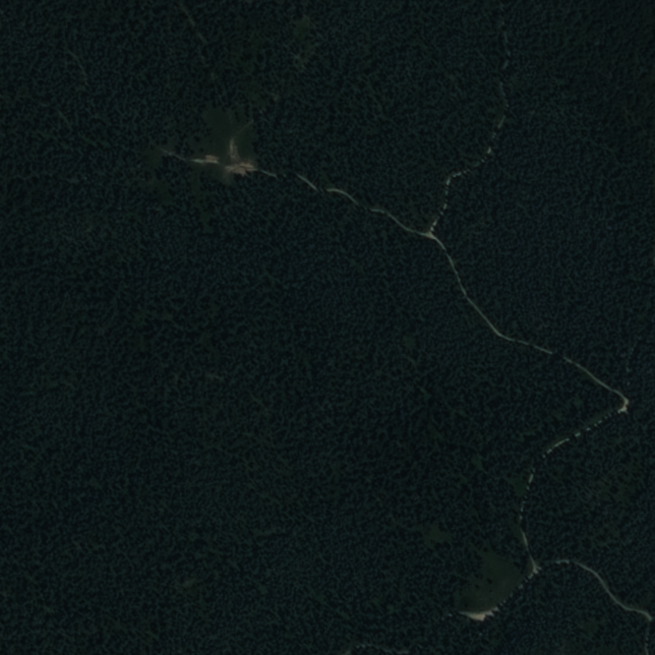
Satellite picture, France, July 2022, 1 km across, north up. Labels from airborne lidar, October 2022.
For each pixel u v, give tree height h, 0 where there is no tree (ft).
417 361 104
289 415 30
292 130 48
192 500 67
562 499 90
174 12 62
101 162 71
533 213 64
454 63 70
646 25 55
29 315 72
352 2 66
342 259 61
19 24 96
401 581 90
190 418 24
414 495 63
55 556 58
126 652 62
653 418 68
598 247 78
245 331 79
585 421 83
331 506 86
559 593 81
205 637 78
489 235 49
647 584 24
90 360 56
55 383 23
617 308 51
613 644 53
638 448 71
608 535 44
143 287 66
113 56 48
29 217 26
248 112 61
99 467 50
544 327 22
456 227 75
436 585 81
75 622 73
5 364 71
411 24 74
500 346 42
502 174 63
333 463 91
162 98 35
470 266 35
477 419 58
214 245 85
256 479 71
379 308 66
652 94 26
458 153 79
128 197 25
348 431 79
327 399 34
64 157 77
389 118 36
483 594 0
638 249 77
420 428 22
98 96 30
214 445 41
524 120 71
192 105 28
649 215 39
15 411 48
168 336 59
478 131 21
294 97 37
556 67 27
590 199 77
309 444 61
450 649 80
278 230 85
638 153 48
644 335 44
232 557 71
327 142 62
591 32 60
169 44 48
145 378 73
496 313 50
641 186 40
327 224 83
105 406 68
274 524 49
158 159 0
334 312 47
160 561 77
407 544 80
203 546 78
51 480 46
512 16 66
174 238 78
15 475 46
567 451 80
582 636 88
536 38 60
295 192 25
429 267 64
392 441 62
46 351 56
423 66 47
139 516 82
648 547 59
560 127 64
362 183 72
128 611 85
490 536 56
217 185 35
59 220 37
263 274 81
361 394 57
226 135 0
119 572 79
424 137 88
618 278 81
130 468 63
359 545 92
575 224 70
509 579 0
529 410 103
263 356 93
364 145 41
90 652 39
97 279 44
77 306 75
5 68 74
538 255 86
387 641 35
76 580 54
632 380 80
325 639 37
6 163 47
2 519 58
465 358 68
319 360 42
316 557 70
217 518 63
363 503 87
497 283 46
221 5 39
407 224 23
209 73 55
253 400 37
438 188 35
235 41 71
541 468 79
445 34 29
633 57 76
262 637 86
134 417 74
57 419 77
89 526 58
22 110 91
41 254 46
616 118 21
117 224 45
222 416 65
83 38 75
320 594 92
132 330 80
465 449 61
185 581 64
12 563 41
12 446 97
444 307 57
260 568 47
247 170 0
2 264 25
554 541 59
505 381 83
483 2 64
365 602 97
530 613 74
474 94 78
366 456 27
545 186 37
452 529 93
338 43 65
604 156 57
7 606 32
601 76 53
